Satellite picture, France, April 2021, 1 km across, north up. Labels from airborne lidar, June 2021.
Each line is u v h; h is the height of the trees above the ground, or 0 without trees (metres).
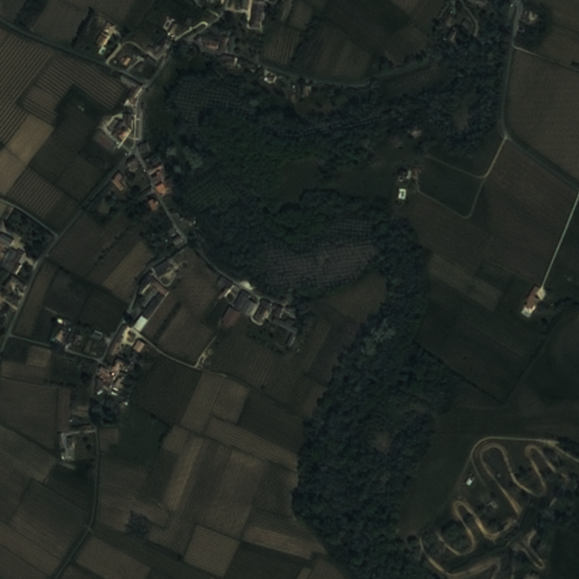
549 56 0
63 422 0
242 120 21
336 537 23
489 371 0
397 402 16
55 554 0
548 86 0
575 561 0
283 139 23
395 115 24
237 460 0
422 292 19
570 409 0
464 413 0
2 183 0
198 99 26
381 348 18
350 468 18
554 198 0
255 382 0
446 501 0
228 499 0
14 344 0
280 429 0
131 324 18
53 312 0
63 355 16
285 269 27
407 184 11
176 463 0
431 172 0
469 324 0
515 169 0
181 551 0
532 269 0
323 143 22
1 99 0
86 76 0
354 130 23
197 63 0
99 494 0
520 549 0
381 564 23
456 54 22
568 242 0
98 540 0
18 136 0
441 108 18
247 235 21
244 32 12
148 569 0
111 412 20
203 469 0
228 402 0
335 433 27
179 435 0
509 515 0
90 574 0
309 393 0
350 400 17
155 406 0
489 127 20
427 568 14
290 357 0
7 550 0
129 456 0
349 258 29
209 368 0
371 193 0
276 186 19
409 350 10
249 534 0
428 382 7
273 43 0
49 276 0
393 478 7
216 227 24
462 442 0
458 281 0
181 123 15
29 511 0
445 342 0
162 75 0
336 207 13
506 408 0
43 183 0
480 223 0
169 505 0
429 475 0
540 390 0
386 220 12
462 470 0
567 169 0
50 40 0
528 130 0
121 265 0
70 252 0
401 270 20
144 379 0
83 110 0
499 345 0
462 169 0
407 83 17
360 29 0
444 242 0
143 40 0
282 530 0
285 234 14
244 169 19
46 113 0
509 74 0
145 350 0
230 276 13
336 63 0
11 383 0
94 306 0
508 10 8
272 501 0
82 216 0
